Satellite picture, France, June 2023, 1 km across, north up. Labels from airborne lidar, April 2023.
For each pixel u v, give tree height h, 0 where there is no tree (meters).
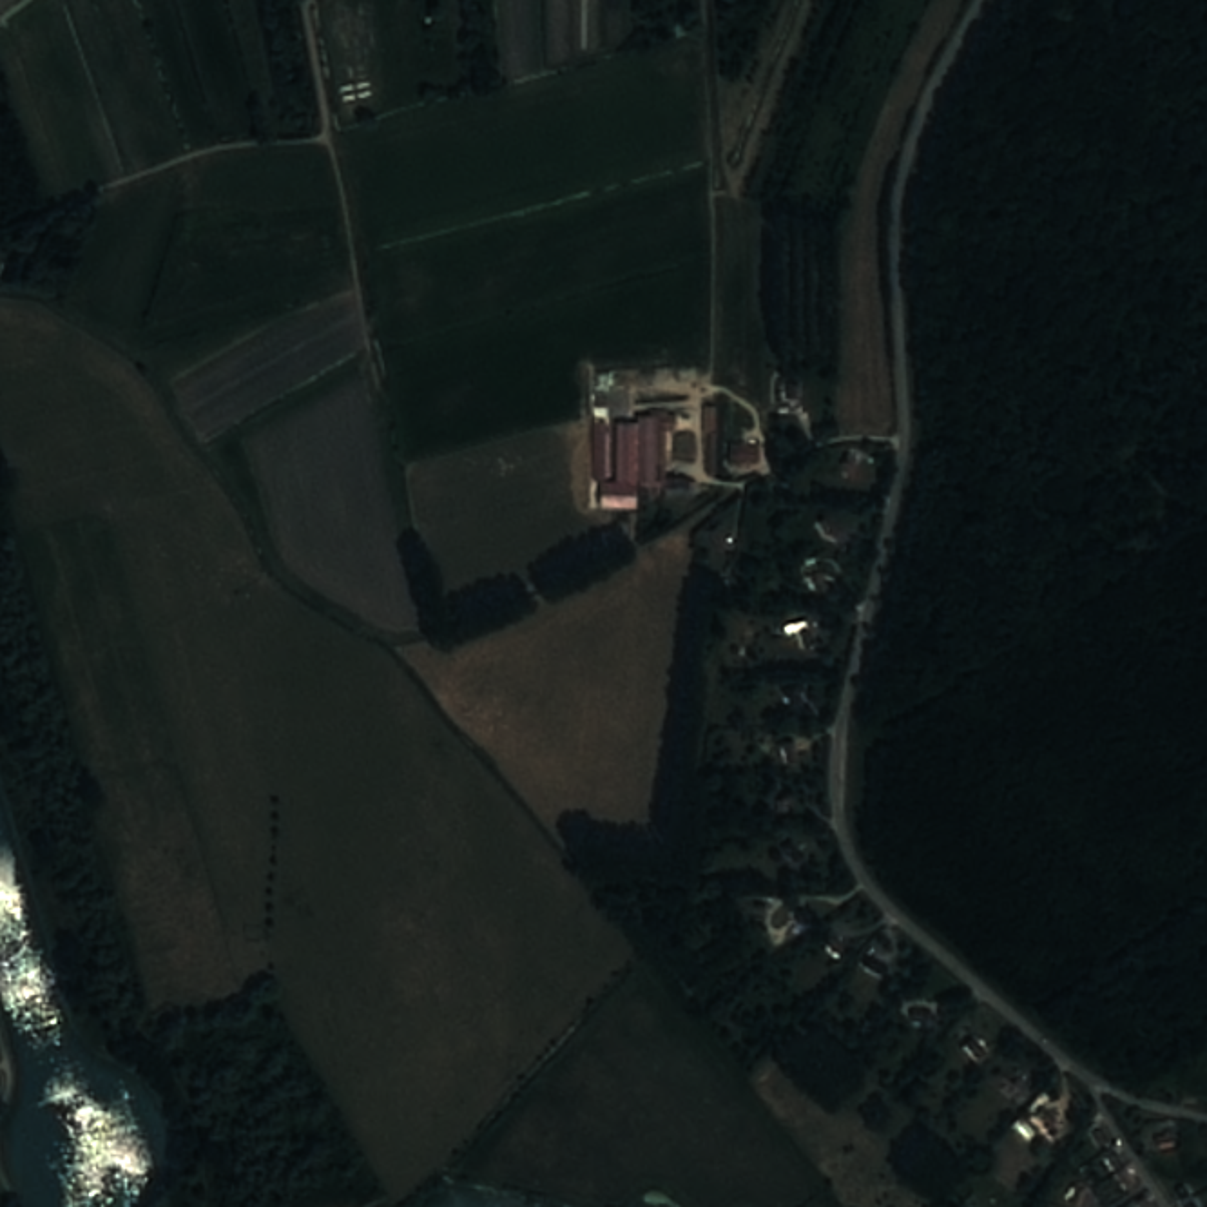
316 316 0
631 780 0
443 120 0
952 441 21
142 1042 12
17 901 0
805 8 0
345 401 0
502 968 0
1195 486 28
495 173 0
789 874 12
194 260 0
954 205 20
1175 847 12
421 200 0
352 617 0
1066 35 23
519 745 0
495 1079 0
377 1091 0
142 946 0
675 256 0
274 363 0
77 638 0
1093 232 22
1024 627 16
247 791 0
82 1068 0
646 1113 0
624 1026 0
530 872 0
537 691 0
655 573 0
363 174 0
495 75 11
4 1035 0
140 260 0
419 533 0
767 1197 0
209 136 0
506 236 0
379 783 0
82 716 0
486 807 0
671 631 0
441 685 0
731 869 0
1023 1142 0
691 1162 0
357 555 0
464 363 0
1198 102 22
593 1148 0
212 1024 6
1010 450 18
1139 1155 12
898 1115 0
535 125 0
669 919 12
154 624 0
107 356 0
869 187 0
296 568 0
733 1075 0
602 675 0
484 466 0
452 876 0
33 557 0
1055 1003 19
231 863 0
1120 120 21
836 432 11
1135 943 19
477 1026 0
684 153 0
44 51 0
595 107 0
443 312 0
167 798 0
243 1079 6
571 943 0
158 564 0
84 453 0
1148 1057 21
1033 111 24
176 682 0
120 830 0
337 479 0
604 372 0
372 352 0
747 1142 0
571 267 0
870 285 0
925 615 17
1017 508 23
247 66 0
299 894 0
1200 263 19
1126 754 12
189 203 0
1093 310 21
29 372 0
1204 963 25
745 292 0
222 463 0
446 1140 0
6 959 0
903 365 0
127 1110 0
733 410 0
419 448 0
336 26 0
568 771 0
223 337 0
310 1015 0
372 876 0
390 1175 0
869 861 8
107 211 0
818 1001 14
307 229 0
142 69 0
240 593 0
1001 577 20
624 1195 0
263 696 0
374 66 0
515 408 0
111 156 0
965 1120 0
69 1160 0
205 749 0
